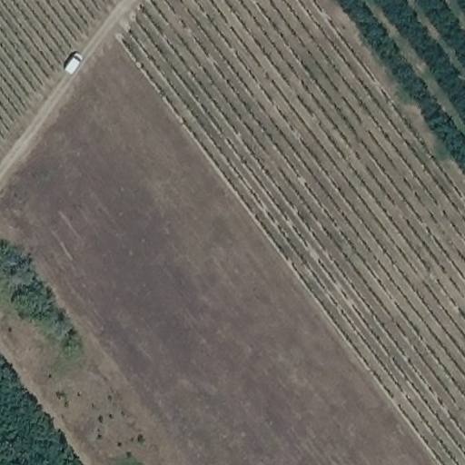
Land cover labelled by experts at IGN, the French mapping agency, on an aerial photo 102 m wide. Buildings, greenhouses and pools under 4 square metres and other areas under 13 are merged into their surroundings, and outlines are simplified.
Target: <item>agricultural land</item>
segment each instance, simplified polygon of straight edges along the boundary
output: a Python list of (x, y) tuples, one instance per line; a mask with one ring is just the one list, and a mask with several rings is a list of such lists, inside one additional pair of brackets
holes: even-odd
[(178, 443), (178, 447), (182, 449), (191, 465), (432, 465), (427, 452), (421, 449), (420, 443), (405, 427), (405, 423), (396, 418), (391, 405), (383, 400), (383, 396), (372, 385), (365, 371), (361, 371), (354, 361), (351, 361), (347, 351), (341, 347), (340, 340), (332, 334), (327, 323), (323, 322), (322, 316), (312, 307), (300, 285), (294, 282), (294, 276), (287, 269), (287, 265), (274, 254), (271, 245), (263, 240), (262, 234), (252, 225), (251, 218), (243, 213), (242, 207), (223, 187), (218, 176), (203, 160), (202, 154), (198, 153), (183, 136), (178, 124), (169, 118), (162, 102), (156, 100), (153, 89), (145, 84), (142, 74), (138, 73), (136, 67), (125, 58), (124, 51), (118, 44), (120, 40), (114, 40), (113, 47), (104, 45), (104, 54), (94, 58), (93, 67), (85, 69), (84, 65), (80, 65), (74, 71), (73, 96), (69, 98), (69, 102), (58, 107), (58, 118), (53, 124), (45, 125), (42, 131), (36, 134), (29, 147), (31, 151), (27, 160), (16, 163), (16, 171), (7, 173), (7, 185), (0, 189), (0, 211), (5, 220), (9, 220), (16, 227), (16, 240), (11, 243), (20, 245), (22, 256), (31, 256), (35, 267), (38, 262), (47, 263), (45, 272), (58, 285), (60, 296), (71, 307), (71, 311), (76, 316), (85, 316), (87, 320), (91, 320), (93, 327), (104, 325), (104, 329), (96, 338), (113, 338), (114, 343), (125, 351), (125, 361), (120, 365), (125, 378), (129, 383), (133, 383), (134, 391), (140, 396), (140, 403), (149, 409), (158, 423), (162, 423), (162, 427), (178, 423), (178, 434), (174, 441)]

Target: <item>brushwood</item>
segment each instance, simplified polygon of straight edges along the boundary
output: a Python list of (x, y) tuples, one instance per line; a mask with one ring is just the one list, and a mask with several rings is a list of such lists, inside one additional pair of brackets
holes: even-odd
[(0, 320), (4, 325), (22, 325), (25, 329), (33, 331), (36, 340), (42, 341), (45, 349), (54, 354), (54, 361), (49, 363), (47, 369), (54, 378), (64, 378), (76, 372), (78, 363), (84, 360), (84, 347), (62, 347), (67, 332), (56, 334), (58, 322), (45, 327), (44, 323), (38, 320), (22, 320), (16, 312), (15, 303), (11, 302), (11, 294), (18, 287), (18, 283), (11, 274), (0, 272)]

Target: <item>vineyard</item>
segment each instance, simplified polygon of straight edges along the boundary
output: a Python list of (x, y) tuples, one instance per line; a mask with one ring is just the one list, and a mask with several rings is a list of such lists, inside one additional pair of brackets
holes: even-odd
[(405, 427), (420, 443), (421, 449), (427, 452), (432, 465), (465, 465), (465, 173), (461, 171), (458, 163), (452, 160), (445, 145), (436, 140), (436, 136), (427, 127), (418, 104), (414, 104), (407, 93), (401, 91), (398, 84), (392, 80), (391, 71), (381, 64), (380, 58), (372, 53), (371, 47), (361, 40), (360, 29), (347, 13), (343, 13), (336, 0), (138, 0), (124, 13), (125, 20), (129, 22), (129, 31), (125, 33), (124, 40), (120, 40), (118, 44), (124, 51), (125, 58), (136, 67), (138, 73), (142, 74), (145, 84), (153, 89), (156, 100), (162, 102), (169, 118), (178, 124), (183, 136), (198, 153), (202, 154), (203, 160), (218, 176), (223, 187), (242, 207), (243, 213), (251, 218), (252, 225), (262, 234), (263, 240), (271, 245), (274, 254), (287, 265), (287, 269), (294, 276), (294, 282), (300, 285), (312, 307), (322, 316), (323, 322), (327, 323), (332, 334), (340, 340), (341, 347), (347, 351), (351, 361), (354, 361), (361, 371), (365, 371), (372, 385), (383, 396), (383, 400), (391, 405), (396, 418), (405, 423)]
[(0, 0), (0, 142), (15, 143), (25, 133), (27, 125), (33, 122), (40, 107), (47, 102), (47, 98), (60, 84), (62, 76), (67, 73), (69, 62), (76, 54), (82, 53), (91, 36), (104, 24), (107, 15), (120, 0)]

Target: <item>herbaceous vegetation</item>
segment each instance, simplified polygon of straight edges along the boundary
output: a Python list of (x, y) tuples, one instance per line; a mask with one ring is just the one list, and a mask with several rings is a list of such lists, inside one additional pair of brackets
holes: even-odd
[(371, 9), (372, 15), (378, 18), (378, 22), (383, 24), (389, 36), (400, 47), (405, 62), (414, 67), (421, 80), (425, 80), (429, 93), (436, 98), (441, 111), (449, 114), (454, 125), (465, 134), (465, 122), (461, 114), (454, 109), (454, 105), (450, 104), (447, 94), (441, 91), (440, 85), (427, 69), (427, 64), (412, 49), (409, 40), (400, 35), (396, 25), (392, 24), (374, 0), (363, 0)]
[(9, 220), (5, 220), (0, 211), (0, 238), (11, 243), (16, 240), (16, 227)]
[(418, 22), (429, 31), (432, 40), (436, 40), (440, 33), (416, 0), (407, 0), (409, 7), (416, 11)]
[(125, 361), (125, 351), (114, 343), (113, 338), (96, 338), (104, 329), (104, 325), (93, 327), (91, 320), (87, 320), (85, 316), (76, 316), (71, 311), (71, 307), (60, 296), (58, 285), (45, 272), (47, 263), (38, 262), (35, 267), (38, 280), (51, 289), (56, 307), (60, 307), (65, 318), (73, 323), (74, 331), (82, 338), (84, 347), (84, 360), (78, 363), (76, 372), (64, 378), (54, 378), (47, 369), (49, 363), (54, 361), (54, 354), (45, 349), (42, 341), (36, 340), (33, 331), (25, 329), (22, 325), (4, 325), (0, 320), (0, 354), (7, 360), (4, 369), (11, 372), (13, 380), (20, 378), (25, 389), (31, 392), (29, 400), (33, 401), (36, 411), (44, 409), (44, 412), (53, 418), (54, 429), (62, 430), (58, 440), (60, 445), (67, 443), (74, 450), (74, 465), (191, 465), (182, 449), (178, 447), (178, 443), (174, 441), (178, 434), (178, 423), (162, 427), (162, 423), (158, 423), (149, 409), (140, 403), (140, 396), (134, 391), (133, 383), (129, 383), (125, 378), (120, 365)]

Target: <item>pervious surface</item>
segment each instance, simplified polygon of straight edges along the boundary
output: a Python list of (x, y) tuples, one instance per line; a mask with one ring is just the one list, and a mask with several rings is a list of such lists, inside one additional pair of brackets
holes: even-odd
[(69, 62), (67, 73), (62, 76), (60, 84), (47, 98), (47, 102), (40, 107), (33, 122), (27, 125), (25, 133), (15, 143), (0, 142), (0, 189), (7, 185), (7, 173), (16, 171), (16, 163), (27, 160), (31, 151), (29, 147), (36, 134), (42, 131), (45, 125), (53, 124), (58, 118), (58, 107), (69, 102), (69, 98), (73, 96), (74, 71), (80, 65), (84, 65), (85, 69), (93, 67), (94, 58), (104, 54), (104, 45), (113, 47), (114, 40), (120, 40), (124, 40), (125, 33), (129, 31), (129, 22), (125, 20), (124, 13), (138, 0), (120, 0), (107, 15), (104, 24), (91, 36), (82, 53), (76, 54)]

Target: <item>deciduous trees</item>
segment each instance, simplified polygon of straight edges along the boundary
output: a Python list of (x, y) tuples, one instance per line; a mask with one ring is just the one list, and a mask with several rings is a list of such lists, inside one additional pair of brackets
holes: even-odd
[(391, 71), (392, 80), (398, 84), (401, 91), (407, 93), (414, 104), (418, 104), (427, 127), (436, 136), (436, 140), (445, 145), (452, 160), (458, 163), (461, 171), (465, 173), (465, 134), (454, 125), (449, 114), (441, 111), (436, 98), (429, 93), (425, 80), (421, 80), (414, 67), (405, 62), (400, 47), (389, 36), (383, 24), (378, 22), (378, 18), (372, 15), (371, 9), (363, 0), (336, 0), (343, 13), (347, 13), (360, 29), (361, 40), (371, 47), (372, 53), (380, 58), (381, 64)]
[(0, 465), (74, 465), (74, 450), (67, 443), (60, 445), (58, 440), (62, 430), (54, 429), (53, 418), (44, 412), (44, 409), (36, 411), (33, 401), (29, 400), (31, 392), (25, 389), (20, 378), (13, 380), (11, 372), (4, 369), (7, 360), (0, 354)]
[(82, 338), (74, 331), (73, 323), (65, 318), (60, 307), (56, 307), (51, 289), (38, 280), (35, 267), (31, 256), (22, 256), (20, 245), (11, 243), (0, 238), (0, 272), (11, 274), (18, 283), (18, 287), (11, 294), (11, 302), (15, 303), (16, 312), (22, 320), (38, 320), (44, 323), (45, 327), (58, 322), (56, 334), (67, 332), (62, 347), (84, 347)]
[(440, 85), (441, 91), (447, 94), (450, 104), (454, 105), (454, 109), (461, 114), (465, 122), (465, 0), (416, 0), (440, 33), (436, 40), (432, 40), (429, 31), (418, 22), (416, 11), (409, 7), (407, 0), (374, 0), (392, 24), (396, 25), (400, 35), (409, 40), (412, 49), (427, 64), (427, 69)]

